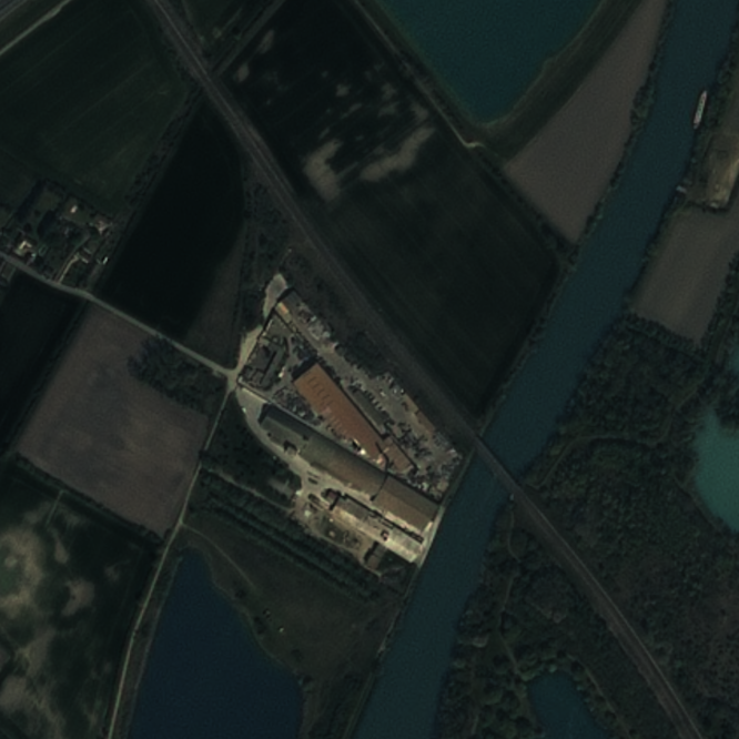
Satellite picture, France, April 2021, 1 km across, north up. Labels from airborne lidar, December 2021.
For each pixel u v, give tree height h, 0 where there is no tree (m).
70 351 0
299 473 0
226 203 0
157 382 9
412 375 0
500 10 0
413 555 0
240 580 0
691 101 0
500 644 0
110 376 0
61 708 0
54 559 0
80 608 0
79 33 0
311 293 0
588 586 0
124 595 0
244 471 6
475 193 0
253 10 0
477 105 0
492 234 0
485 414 8
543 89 0
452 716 22
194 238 0
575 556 0
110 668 0
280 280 0
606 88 0
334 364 0
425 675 0
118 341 0
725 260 0
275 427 0
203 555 0
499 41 0
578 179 0
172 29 0
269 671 0
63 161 0
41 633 0
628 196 0
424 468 0
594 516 18
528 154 0
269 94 0
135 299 0
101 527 0
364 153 0
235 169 0
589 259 0
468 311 0
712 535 15
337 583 10
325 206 0
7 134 0
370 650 0
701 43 0
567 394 0
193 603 0
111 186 0
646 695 11
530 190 0
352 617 0
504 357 0
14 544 0
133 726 0
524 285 0
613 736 13
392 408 0
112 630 0
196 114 0
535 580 20
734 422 20
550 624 7
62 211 8
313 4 0
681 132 0
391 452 0
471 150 0
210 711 0
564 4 0
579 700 0
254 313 9
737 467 0
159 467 0
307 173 0
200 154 0
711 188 0
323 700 0
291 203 0
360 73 0
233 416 0
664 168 0
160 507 0
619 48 0
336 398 0
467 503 0
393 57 0
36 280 0
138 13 0
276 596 0
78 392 0
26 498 0
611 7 0
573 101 0
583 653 11
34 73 0
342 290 0
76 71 0
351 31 0
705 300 0
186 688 0
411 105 0
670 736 14
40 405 0
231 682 0
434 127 0
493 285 0
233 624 0
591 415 14
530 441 0
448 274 0
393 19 0
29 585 0
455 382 0
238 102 0
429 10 0
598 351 16
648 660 0
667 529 14
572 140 0
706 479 0
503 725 18
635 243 0
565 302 0
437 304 0
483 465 0
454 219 0
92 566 0
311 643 0
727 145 0
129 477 0
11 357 0
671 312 0
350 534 0
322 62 0
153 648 0
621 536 11
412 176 0
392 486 0
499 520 16
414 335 0
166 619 0
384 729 0
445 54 0
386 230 0
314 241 0
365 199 0
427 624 0
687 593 12
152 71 0
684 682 10
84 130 0
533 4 0
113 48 0
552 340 0
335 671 0
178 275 0
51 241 10
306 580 0
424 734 0
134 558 0
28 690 0
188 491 0
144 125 0
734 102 0
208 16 0
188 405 17
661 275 0
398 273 0
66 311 0
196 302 0
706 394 19
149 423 0
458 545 0
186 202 0
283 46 0
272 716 0
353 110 0
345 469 0
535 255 0
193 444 0
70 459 0
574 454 9
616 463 15
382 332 0
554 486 9
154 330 0
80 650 0
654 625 18
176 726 0
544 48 0
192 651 0
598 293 0
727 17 0
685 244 0
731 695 7
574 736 0
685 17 0
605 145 0
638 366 20
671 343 14
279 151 0
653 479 25
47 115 0
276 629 0
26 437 0
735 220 0
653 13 0
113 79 0
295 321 0
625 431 10
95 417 0
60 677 0
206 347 0
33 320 0
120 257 0
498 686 17
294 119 0
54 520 0
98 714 0
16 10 0
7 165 0
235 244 0
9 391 0
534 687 0
